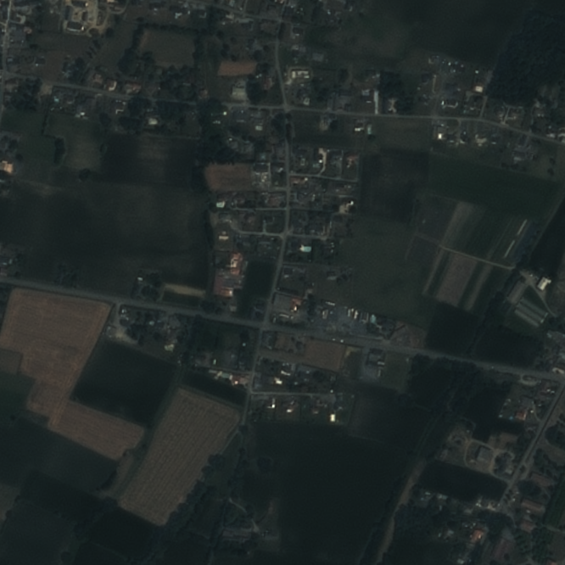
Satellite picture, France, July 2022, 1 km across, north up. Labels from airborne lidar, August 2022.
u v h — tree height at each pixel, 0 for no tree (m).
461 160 0
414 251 0
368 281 0
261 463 18
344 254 0
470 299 0
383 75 15
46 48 0
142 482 0
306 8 0
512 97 19
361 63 0
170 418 0
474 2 0
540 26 24
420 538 23
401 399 17
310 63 0
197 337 18
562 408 0
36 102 15
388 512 7
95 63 0
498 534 18
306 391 7
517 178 0
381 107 0
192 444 0
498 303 14
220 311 8
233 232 0
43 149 0
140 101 20
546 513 10
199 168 9
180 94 18
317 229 0
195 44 13
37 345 0
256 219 0
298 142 0
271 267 0
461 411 17
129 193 0
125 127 17
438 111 0
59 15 0
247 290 0
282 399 0
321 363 0
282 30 8
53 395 0
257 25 0
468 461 0
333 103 0
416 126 0
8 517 9
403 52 0
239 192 0
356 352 0
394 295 0
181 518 23
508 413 0
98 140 0
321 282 0
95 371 0
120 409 0
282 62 0
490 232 0
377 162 0
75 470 0
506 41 0
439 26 0
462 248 0
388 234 0
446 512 17
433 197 0
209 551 11
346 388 0
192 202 0
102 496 0
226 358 0
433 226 0
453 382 9
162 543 22
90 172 12
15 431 0
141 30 16
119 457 0
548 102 15
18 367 0
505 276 0
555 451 0
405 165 0
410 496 0
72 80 15
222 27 0
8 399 0
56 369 0
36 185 0
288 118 16
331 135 0
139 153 0
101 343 0
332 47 0
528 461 0
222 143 21
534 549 9
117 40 0
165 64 0
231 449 0
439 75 0
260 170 0
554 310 0
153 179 0
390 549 8
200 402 0
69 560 15
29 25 10
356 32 0
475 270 0
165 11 0
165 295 0
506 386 9
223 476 0
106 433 0
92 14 0
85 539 14
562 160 0
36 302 0
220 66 0
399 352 0
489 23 0
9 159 0
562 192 0
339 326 0
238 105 0
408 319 0
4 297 7
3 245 6
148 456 0
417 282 0
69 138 0
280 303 0
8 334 0
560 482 11
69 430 0
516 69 29
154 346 0
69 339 0
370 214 0
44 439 0
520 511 12
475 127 0
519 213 0
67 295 0
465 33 0
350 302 0
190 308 0
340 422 0
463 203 0
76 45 0
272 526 0
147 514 0
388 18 0
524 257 11
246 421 0
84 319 0
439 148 0
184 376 0
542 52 27
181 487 0
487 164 0
